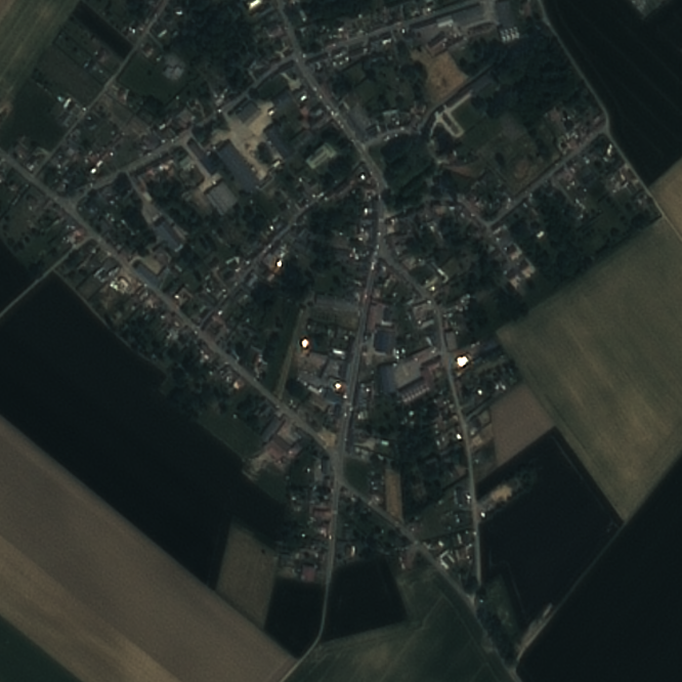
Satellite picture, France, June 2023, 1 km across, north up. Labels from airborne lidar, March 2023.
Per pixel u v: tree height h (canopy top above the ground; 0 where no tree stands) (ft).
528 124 45
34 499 0
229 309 0
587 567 0
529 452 0
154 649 0
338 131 21
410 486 24
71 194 33
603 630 0
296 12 75
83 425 0
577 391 0
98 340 0
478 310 25
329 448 0
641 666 0
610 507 0
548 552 0
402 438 21
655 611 0
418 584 0
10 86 0
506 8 0
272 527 0
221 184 0
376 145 0
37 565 0
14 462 0
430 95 0
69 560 0
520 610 0
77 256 29
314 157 0
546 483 0
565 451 0
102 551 0
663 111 0
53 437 0
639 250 0
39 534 0
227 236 0
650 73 0
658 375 0
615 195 0
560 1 0
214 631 0
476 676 0
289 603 0
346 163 56
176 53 0
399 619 0
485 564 0
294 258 26
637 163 0
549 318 0
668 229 0
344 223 21
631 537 0
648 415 0
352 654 0
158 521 0
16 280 0
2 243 0
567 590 0
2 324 0
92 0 0
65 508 0
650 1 0
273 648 0
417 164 65
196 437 0
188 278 0
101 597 0
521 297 25
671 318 0
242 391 0
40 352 0
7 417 0
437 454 20
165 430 0
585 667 0
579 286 0
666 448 0
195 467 0
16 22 0
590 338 0
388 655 0
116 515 0
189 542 0
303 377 0
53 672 0
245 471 0
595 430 0
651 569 0
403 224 34
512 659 71
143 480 0
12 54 0
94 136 0
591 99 30
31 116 0
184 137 0
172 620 0
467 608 0
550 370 0
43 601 0
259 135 0
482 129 0
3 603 0
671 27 0
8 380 0
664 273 0
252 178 0
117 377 0
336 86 30
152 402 0
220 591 0
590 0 0
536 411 0
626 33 0
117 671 0
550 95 76
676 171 0
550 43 52
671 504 0
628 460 0
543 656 0
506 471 0
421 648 0
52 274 0
